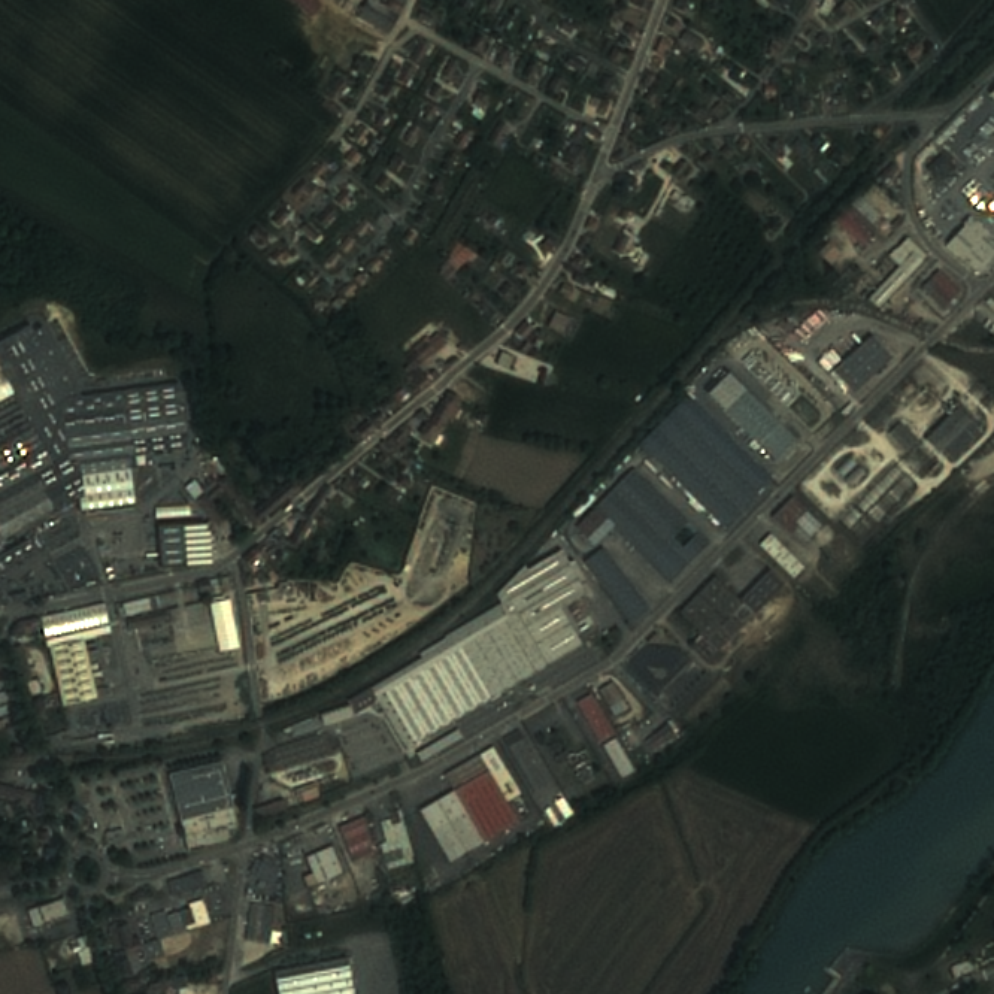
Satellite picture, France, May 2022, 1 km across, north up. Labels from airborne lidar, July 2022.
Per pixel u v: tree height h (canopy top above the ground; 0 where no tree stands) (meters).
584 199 0
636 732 0
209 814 0
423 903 14
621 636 0
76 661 0
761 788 0
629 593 0
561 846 0
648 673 0
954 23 0
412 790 0
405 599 0
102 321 6
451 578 0
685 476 0
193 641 0
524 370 0
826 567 0
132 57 0
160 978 16
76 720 0
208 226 0
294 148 0
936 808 0
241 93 0
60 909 0
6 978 0
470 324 0
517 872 0
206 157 0
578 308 0
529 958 0
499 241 6
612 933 0
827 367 0
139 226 0
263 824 14
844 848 0
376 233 0
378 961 0
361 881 0
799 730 0
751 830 0
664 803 0
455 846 0
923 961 0
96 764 12
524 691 0
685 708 0
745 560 0
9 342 0
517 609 0
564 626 0
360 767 0
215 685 0
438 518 0
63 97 0
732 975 13
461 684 0
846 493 0
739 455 0
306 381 0
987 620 14
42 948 12
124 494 0
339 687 11
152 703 0
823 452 0
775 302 8
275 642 0
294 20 0
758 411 0
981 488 0
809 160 0
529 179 0
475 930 0
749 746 0
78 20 0
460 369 0
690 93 6
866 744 0
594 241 0
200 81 0
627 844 0
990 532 0
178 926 0
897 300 0
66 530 0
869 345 0
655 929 0
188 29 0
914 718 0
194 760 9
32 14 0
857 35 0
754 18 6
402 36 0
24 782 0
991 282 0
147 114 0
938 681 7
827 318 0
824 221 18
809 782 0
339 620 0
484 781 0
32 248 10
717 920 0
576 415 0
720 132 0
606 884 0
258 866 0
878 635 6
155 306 0
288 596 0
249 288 0
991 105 0
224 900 0
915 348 0
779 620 0
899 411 0
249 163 0
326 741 0
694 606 0
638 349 0
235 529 9
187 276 0
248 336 0
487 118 0
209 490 0
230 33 0
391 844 0
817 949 0
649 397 0
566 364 0
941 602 0
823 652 0
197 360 29
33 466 0
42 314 0
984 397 0
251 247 0
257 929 0
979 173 0
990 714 0
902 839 0
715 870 0
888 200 0
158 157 0
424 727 0
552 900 0
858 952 0
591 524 0
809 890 0
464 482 6
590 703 0
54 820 19
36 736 19
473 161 7
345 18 0
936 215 0
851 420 0
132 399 0
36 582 0
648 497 0
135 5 0
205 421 14
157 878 0
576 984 0
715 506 0
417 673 0
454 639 0
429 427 0
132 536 0
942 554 0
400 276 0
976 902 0
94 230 0
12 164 0
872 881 0
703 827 0
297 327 0
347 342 15
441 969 7
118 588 0
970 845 0
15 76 0
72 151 0
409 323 0
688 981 0
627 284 0
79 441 0
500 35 8
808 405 0
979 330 0
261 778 0
